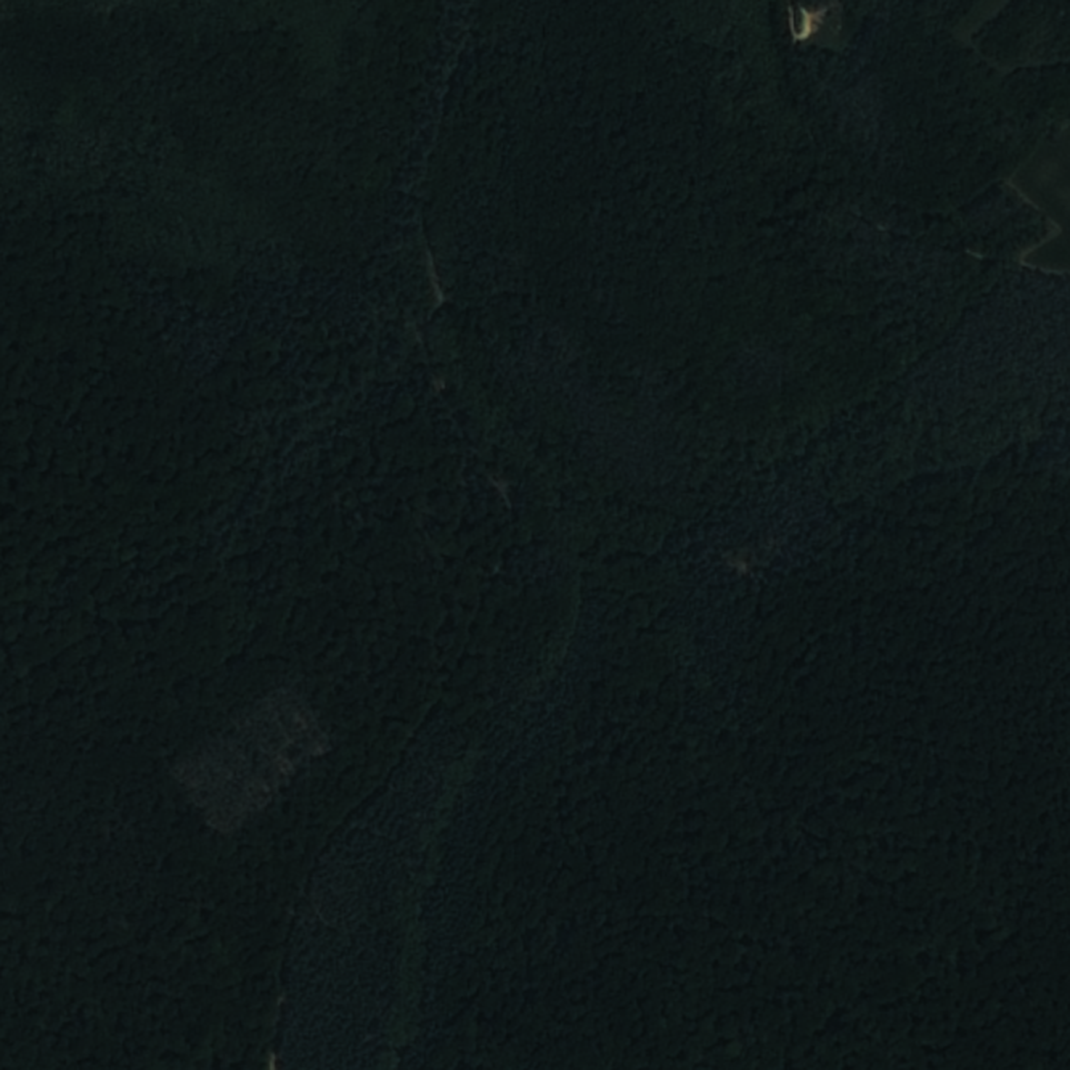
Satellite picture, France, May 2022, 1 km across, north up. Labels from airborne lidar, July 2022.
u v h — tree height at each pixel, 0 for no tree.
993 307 28
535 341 30
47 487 27
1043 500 21
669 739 21
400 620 23
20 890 24
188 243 27
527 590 26
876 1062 26
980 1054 23
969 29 0
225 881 19
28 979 24
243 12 16
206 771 20
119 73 14
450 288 20
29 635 30
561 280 18
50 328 25
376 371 20
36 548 27
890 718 21
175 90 9
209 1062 12
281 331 24
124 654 25
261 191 12
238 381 25
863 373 19
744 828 21
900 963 26
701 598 23
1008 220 21
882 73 18
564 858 26
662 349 20
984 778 21
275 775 18
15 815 14
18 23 14
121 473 26
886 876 25
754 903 24
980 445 27
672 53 15
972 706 16
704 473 19
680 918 21
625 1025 24
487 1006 27
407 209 17
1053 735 13
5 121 23
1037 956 21
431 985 16
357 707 24
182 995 25
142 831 18
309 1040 18
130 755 21
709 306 13
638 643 22
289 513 27
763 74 16
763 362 23
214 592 28
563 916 21
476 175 11
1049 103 11
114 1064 21
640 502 17
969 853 25
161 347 22
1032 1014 26
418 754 19
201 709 15
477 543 22
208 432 25
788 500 27
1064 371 23
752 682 20
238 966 22
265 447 21
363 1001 20
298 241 16
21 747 19
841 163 18
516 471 21
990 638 21
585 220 15
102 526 23
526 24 15
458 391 22
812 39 0
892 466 25
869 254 18
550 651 22
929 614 18
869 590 16
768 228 22
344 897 20
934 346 20
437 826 24
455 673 23
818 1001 24
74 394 27
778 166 16
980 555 19
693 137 14
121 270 24
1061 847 19
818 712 24
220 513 23
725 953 26
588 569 22
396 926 20
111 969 20
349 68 21
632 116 10
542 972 23
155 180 25
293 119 8
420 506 21
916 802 15
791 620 23
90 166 25
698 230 15
